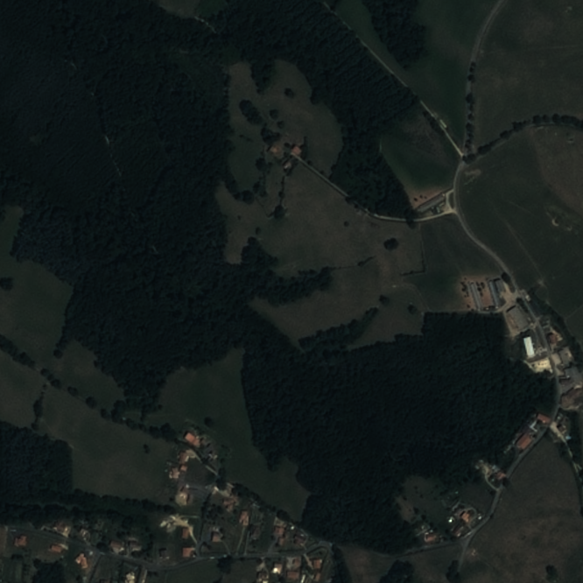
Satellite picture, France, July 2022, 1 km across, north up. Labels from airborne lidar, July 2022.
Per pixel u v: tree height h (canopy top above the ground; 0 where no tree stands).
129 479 0
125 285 26
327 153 0
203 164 24
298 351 12
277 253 0
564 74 0
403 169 0
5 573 0
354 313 0
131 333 27
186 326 32
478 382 8
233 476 0
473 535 0
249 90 0
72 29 25
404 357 15
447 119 0
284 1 17
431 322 16
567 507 0
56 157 6
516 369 10
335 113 15
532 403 8
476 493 0
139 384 25
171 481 0
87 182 7
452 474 15
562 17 0
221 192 0
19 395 0
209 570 0
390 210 10
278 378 23
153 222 27
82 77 8
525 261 0
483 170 0
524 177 0
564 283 0
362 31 0
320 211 0
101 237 29
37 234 27
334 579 9
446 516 0
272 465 17
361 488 22
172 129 27
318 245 0
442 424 20
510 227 0
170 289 25
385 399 18
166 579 0
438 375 8
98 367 13
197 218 24
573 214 0
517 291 0
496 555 0
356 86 23
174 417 0
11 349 14
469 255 0
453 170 0
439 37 0
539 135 0
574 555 0
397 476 18
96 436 0
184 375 0
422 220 0
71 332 17
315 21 18
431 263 0
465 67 0
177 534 0
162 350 26
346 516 22
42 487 14
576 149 0
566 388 0
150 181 8
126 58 31
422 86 0
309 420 24
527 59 0
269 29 24
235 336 21
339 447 21
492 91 0
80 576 6
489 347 11
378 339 0
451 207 0
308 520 14
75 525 6
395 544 21
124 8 24
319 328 0
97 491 0
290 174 10
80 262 23
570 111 0
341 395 23
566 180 0
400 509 9
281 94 0
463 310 0
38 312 0
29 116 11
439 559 0
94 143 6
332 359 35
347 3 0
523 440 0
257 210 0
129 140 9
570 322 0
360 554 0
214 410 0
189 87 22
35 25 15
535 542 0
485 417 6
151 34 20
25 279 0
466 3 0
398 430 25
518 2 0
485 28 0
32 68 12
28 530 0
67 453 8
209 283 21
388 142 0
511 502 0
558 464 0
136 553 7
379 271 0
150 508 19
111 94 26
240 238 0
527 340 0
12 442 21
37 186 10
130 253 13
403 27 24
